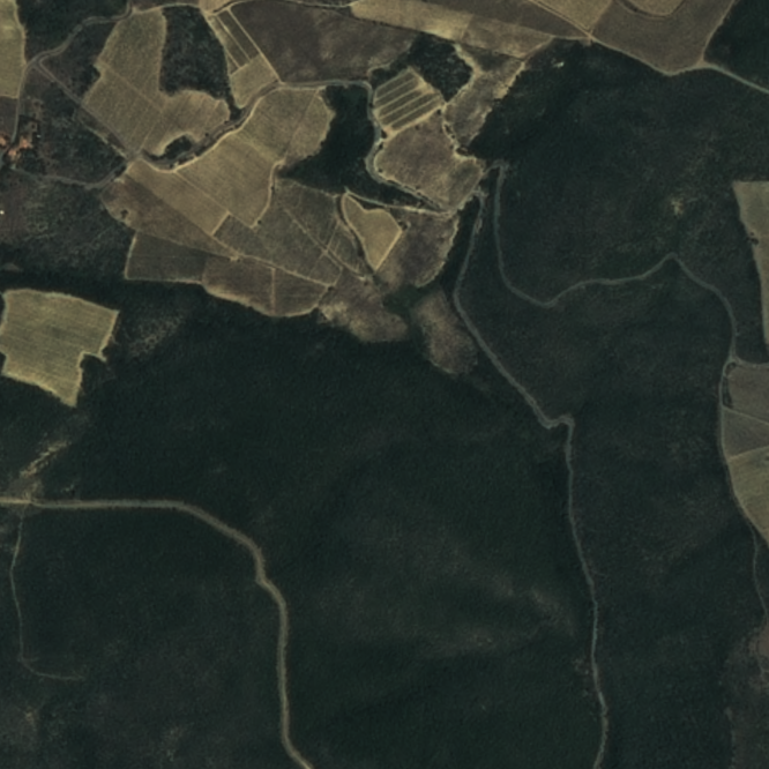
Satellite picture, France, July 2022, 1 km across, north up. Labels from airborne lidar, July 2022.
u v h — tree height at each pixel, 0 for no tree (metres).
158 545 5
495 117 8
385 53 0
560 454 6
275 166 0
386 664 7
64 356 0
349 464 7
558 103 10
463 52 0
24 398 5
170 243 0
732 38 8
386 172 0
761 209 0
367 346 5
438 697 6
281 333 7
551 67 6
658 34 0
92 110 0
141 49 0
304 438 7
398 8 0
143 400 6
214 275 0
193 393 5
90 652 5
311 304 0
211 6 0
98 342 0
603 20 0
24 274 9
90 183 0
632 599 6
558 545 9
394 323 0
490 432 6
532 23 0
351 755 8
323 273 0
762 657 0
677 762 5
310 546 8
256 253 0
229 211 0
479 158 9
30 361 0
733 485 0
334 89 9
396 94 0
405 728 6
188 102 0
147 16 0
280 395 5
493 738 6
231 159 0
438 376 6
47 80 0
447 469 7
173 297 8
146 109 0
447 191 0
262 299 0
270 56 0
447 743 6
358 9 0
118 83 0
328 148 7
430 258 0
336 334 7
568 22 0
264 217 0
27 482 0
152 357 6
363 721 7
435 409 6
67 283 6
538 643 6
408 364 6
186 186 0
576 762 6
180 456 6
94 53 0
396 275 0
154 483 6
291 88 0
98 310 0
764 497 0
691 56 0
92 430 8
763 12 8
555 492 10
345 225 0
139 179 0
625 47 0
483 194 0
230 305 6
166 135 0
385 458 5
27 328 0
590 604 11
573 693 6
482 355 9
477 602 8
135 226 0
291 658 6
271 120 0
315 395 6
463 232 9
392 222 0
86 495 6
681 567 6
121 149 0
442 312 0
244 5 0
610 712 6
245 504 5
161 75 0
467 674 6
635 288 5
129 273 0
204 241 0
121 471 7
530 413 5
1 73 0
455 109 0
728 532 6
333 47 0
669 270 6
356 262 0
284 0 0
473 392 6
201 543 6
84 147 5
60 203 7
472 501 6
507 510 5
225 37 0
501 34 0
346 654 6
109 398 7
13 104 0
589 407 6
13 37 0
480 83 0
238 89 0
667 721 6
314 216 0
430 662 6
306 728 7
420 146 0
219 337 6
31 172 8
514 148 9
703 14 0
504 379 6
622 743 6
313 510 8
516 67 0
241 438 5
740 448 0
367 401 6
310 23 0
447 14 0
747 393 0
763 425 0
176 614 6
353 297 0
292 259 0
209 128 0
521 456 6
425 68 6
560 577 9
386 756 6
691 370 0
